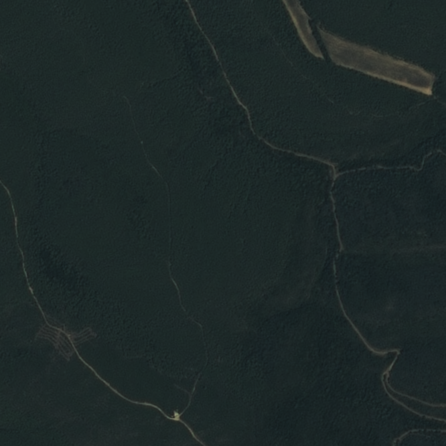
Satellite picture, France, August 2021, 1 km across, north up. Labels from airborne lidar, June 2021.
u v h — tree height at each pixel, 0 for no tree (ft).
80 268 19
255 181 26
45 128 30
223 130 30
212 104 32
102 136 18
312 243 24
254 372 27
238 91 19
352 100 20
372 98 19
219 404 0
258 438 18
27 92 22
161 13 40
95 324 19
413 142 23
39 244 25
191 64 31
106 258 17
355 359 22
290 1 0
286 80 18
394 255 19
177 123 19
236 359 22
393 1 25
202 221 19
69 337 0
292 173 35
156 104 22
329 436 20
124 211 22
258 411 18
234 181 24
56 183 20
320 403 20
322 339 31
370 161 29
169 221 17
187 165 22
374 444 32
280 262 24
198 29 22
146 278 20
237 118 32
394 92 17
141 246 25
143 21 18
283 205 23
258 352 19
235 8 20
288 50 23
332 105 18
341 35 23
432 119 29
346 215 18
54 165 17
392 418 22
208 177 31
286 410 31
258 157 27
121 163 17
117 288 18
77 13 21
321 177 21
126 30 18
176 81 21
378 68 0
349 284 19
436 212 21
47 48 17
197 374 19
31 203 18
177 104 26
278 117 19
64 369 0
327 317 21
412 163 32
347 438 19
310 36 0
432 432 19
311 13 24
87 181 18
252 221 21
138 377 0
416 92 22
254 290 25
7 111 21
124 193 25
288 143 29
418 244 25
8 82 21
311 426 20
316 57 36
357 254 22
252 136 18
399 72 0
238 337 28
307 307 22
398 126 18
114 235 18
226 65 20
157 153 18
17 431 31
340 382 24
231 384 19
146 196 29
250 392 19
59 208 17
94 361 0
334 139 19
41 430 20
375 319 0
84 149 17
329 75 27
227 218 22
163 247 19
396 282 20
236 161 26
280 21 26
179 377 19
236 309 21
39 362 0
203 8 24
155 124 19
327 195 21
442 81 27
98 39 17
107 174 17
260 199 19
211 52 23
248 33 21
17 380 0
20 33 19
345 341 21
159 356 28
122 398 0
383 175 18
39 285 29
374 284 23
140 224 26
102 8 19
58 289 35
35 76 20
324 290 23
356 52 0
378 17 24
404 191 19
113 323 33
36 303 21
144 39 19
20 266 25
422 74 0
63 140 23
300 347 21
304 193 25
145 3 26
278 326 22
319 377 24
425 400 20
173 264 20
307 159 26
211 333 19
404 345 19
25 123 25
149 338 26
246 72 18
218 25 18
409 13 17
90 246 19
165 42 24
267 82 20
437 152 22
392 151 18
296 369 20
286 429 29
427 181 26
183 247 21
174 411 0
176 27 35
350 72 29
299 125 21
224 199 23
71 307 25
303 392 27
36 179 30
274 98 22
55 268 28
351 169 22
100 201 21
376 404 17
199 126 27
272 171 32
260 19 17
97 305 24
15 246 17
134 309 18
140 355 25
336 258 25
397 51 19
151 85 38
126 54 19
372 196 21
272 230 20
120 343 24
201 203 24
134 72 18
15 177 18
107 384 0
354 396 33
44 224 20
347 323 19
